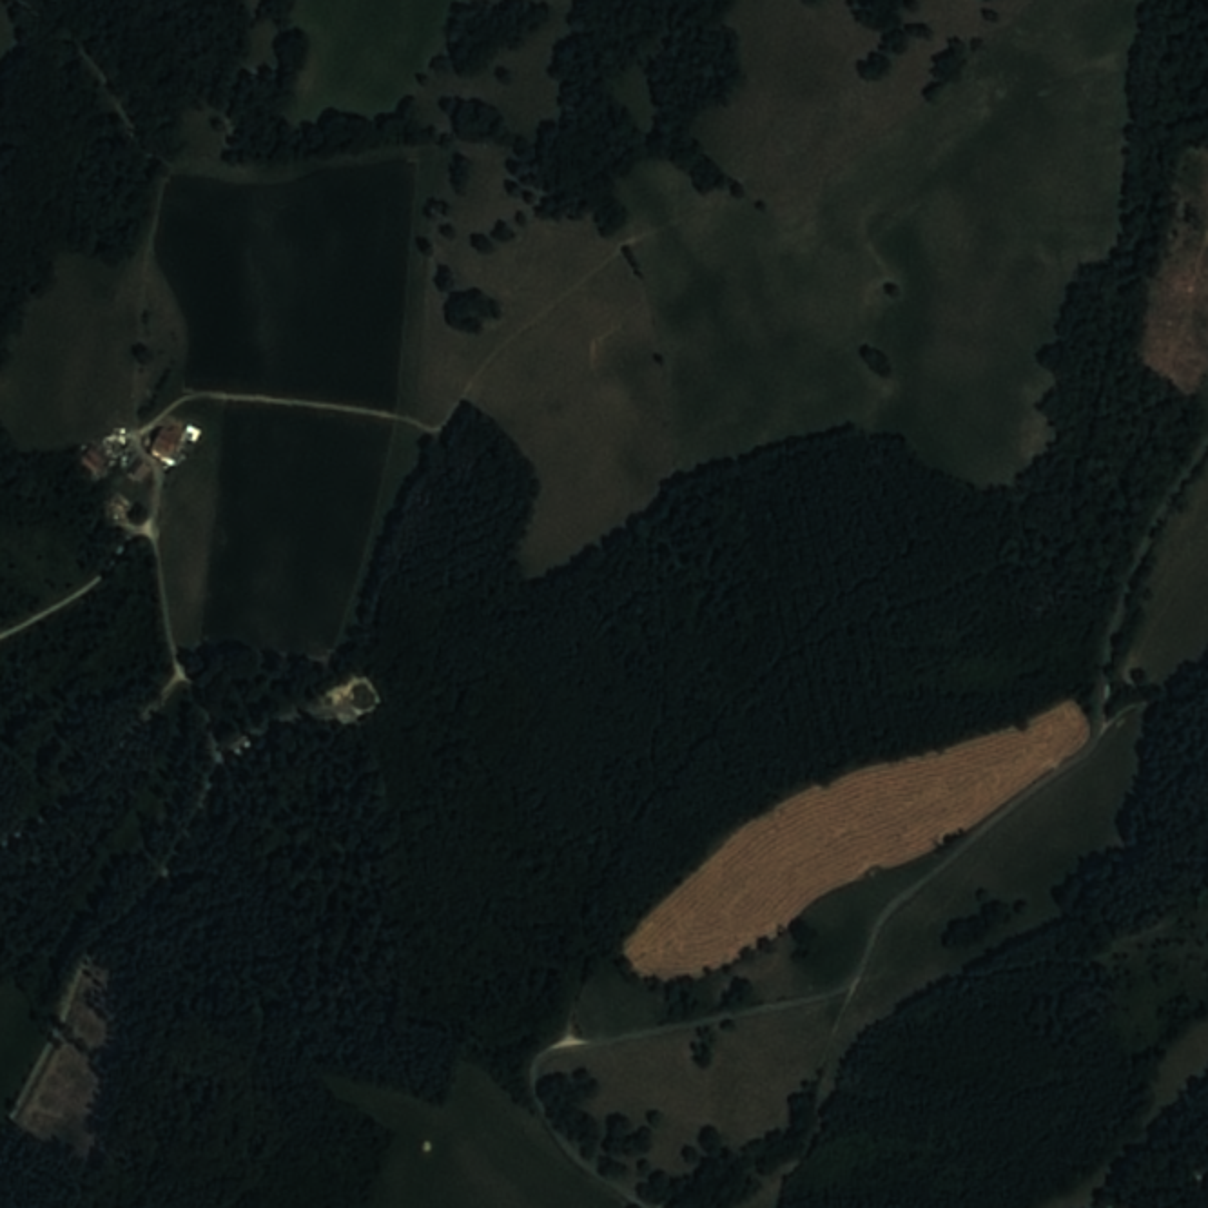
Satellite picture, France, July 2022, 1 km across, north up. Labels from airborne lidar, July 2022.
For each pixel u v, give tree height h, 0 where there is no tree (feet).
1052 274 0
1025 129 0
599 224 35
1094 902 89
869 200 0
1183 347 0
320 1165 42
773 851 0
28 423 0
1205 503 0
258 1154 75
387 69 0
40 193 100
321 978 30
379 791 85
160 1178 61
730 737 57
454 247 0
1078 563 63
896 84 0
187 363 0
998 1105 50
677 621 44
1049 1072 35
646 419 0
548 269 0
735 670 51
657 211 0
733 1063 0
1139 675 41
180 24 58
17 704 62
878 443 49
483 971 28
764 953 26
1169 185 68
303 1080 83
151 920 98
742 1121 0
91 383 0
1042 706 39
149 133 63
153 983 105
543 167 62
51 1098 0
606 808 45
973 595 46
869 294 0
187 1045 81
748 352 0
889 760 40
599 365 0
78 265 0
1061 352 61
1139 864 100
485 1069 45
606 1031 0
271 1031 86
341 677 71
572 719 43
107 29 73
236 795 105
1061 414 42
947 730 49
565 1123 46
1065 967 46
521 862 47
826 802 0
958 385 0
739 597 56
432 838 30
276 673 96
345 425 0
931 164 0
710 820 61
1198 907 32
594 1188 0
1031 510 56
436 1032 92
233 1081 51
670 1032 0
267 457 0
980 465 0
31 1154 82
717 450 0
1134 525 71
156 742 85
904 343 0
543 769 48
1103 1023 57
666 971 0
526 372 0
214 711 69
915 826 0
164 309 0
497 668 58
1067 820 0
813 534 52
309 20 0
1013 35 0
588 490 0
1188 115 75
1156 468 105
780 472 50
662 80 55
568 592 56
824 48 0
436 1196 0
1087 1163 49
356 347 0
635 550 63
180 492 0
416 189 0
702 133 0
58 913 83
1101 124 0
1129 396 86
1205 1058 0
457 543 55
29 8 61
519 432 0
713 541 79
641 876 67
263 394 0
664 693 38
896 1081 50
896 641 47
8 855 71
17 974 67
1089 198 0
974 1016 48
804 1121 63
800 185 0
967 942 48
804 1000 0
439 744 39
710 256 0
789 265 0
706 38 49
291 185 0
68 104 71
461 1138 0
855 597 55
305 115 0
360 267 0
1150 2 39
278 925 82
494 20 56
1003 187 0
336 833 60
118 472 20
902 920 0
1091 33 0
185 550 0
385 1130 29
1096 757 0
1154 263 89
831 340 0
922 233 0
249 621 0
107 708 80
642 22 69
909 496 43
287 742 105
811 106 0
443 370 0
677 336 0
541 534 0
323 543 0
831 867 0
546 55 0
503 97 0
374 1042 63
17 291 86
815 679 54
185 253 0
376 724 34
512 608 49
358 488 0
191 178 0
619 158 54
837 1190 32
